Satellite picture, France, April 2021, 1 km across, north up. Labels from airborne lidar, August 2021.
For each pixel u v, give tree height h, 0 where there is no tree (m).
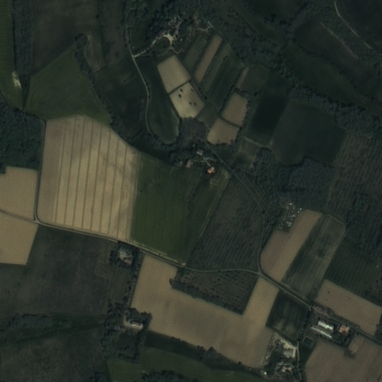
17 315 12
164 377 15
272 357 0
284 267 0
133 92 0
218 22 21
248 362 0
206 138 13
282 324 0
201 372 0
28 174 0
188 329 0
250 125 0
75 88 0
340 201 10
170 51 6
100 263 0
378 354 0
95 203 0
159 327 0
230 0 0
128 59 0
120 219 0
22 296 0
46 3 0
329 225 0
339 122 19
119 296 0
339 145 0
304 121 0
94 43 0
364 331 0
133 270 14
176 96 0
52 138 0
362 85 0
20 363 0
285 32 11
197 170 0
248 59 18
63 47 0
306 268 0
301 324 0
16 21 14
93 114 0
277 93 0
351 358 0
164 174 0
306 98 18
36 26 0
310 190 21
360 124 15
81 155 0
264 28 0
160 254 0
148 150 0
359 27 0
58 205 0
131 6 12
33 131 23
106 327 14
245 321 0
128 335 12
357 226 20
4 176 0
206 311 0
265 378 0
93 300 0
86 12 0
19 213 0
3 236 0
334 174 24
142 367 0
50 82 0
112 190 0
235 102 0
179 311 0
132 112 0
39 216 0
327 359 0
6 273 0
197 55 0
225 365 0
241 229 10
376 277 0
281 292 0
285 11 0
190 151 7
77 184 0
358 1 0
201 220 0
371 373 0
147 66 0
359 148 10
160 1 0
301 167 8
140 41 0
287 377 7
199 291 14
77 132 0
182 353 0
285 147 0
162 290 0
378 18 0
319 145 0
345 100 0
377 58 16
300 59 0
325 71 0
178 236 0
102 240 0
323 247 0
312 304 6
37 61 0
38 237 0
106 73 0
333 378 0
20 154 21
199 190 0
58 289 0
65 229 0
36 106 0
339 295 0
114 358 14
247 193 6
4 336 10
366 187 8
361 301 0
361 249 8
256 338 0
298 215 0
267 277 0
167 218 0
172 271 0
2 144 26
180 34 9
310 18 16
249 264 6
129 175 0
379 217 14
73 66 0
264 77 0
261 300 0
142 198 0
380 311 0
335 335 11
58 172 0
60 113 0
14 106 0
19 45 16
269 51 7
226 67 0
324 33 0
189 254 0
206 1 19
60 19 0
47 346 0
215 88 0
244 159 0
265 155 19
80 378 0
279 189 13
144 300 0
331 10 15
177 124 0
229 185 6
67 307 0
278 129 0
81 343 0
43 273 0
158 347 0
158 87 0
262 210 0
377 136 15
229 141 0
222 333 0
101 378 17
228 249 9
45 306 0
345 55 0
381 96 0
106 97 10
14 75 0
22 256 0
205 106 0
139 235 0
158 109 0
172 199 0
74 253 0
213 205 0
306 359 0
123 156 0
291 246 0
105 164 0
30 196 0
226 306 6
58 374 0
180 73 0
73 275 0
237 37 18
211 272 0
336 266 0
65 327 12
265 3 0
